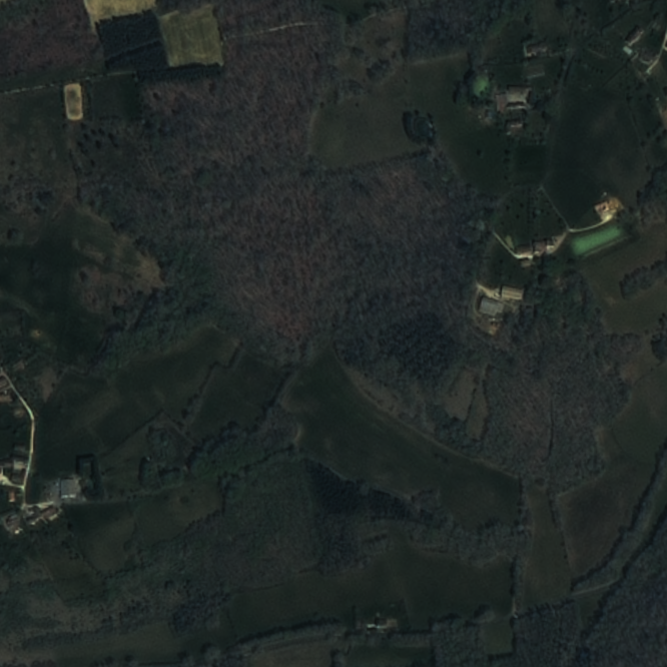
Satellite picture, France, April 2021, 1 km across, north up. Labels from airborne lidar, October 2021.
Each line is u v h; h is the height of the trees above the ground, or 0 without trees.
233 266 19
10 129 0
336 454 0
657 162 0
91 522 0
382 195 18
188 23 0
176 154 18
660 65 0
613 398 21
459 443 9
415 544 20
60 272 0
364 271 25
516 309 0
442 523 13
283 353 22
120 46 17
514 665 17
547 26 0
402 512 18
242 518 13
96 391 0
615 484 0
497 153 0
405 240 20
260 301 17
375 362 15
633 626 25
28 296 0
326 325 24
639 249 0
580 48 0
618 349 20
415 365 14
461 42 22
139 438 0
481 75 13
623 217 12
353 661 0
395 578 0
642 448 0
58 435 0
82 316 0
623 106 0
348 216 21
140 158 7
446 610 0
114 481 0
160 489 17
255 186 15
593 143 0
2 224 0
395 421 0
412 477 0
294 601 0
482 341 16
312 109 18
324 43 21
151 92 12
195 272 25
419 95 0
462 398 0
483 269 14
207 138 16
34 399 7
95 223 0
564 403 15
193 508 0
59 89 7
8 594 6
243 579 14
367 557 11
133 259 0
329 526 19
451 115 0
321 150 0
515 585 11
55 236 0
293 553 13
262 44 14
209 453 10
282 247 9
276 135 12
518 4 17
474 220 21
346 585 0
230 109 15
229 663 12
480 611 0
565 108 0
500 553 17
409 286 22
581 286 22
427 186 19
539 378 25
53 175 0
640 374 0
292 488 18
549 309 21
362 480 0
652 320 0
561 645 11
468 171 0
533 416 17
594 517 0
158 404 0
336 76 26
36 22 6
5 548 8
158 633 0
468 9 21
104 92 0
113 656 0
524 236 0
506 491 0
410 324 14
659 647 16
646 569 24
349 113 0
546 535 0
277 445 15
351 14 0
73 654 0
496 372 19
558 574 0
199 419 0
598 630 25
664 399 0
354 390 0
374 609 0
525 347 22
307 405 0
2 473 0
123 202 21
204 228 9
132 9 0
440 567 0
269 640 16
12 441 0
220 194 18
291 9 20
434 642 19
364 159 0
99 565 0
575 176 0
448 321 14
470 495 0
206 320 25
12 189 10
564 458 18
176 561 7
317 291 19
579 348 21
